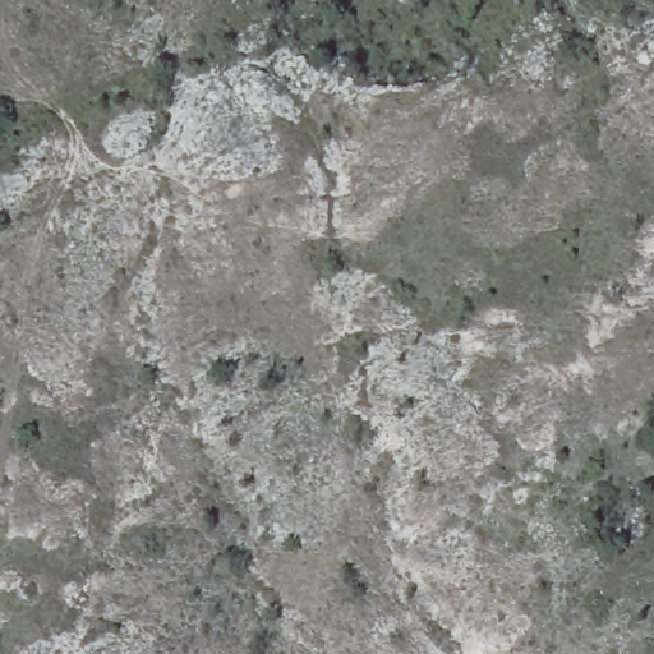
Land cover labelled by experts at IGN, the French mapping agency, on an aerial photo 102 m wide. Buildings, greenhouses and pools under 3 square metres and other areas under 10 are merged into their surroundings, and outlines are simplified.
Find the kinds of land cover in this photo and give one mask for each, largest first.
<instances>
[{"label":"bare soil","instance_id":"1","mask_svg":"<svg viewBox=\"0 0 654 654\"><path fill-rule=\"evenodd\" d=\"M197 0H141L135 23L130 28L128 36H123V31L112 36V46H120L125 54L130 59H141L143 64H153L166 51H186L192 46V20L197 18V10L192 5ZM271 31V13H266L258 26L248 23V28H243L240 33L225 31V38L238 41V49L243 51V59L235 61L230 69H207L194 77L176 74V100L171 105L169 130L158 148L146 143L156 118L151 110H133L118 115L107 125L102 146L95 151H89V146L84 143L77 120L66 110H59V118L72 138H41L36 146L20 148V166L15 174H0V552H8L13 539H33L43 549H56L64 536H79L82 547L87 549L92 547V536L87 534L92 503H118L115 521L105 542V562L112 572H97L84 582H66L61 598L79 613L74 631H64L51 639H38L23 646L20 654H156L153 641L164 636V623H181L179 600L156 593V585L169 582L166 570L151 567L143 572H125V565H135L138 557H123L115 547L120 542V534L138 524L199 529L207 521V508L212 506L220 508V526L225 529V534L238 547L250 549V572L268 588H276L278 593V598L271 603L263 593H258L255 608L258 613H266L271 621L281 618V634L271 641V646L284 654H654V631L646 618L639 623V628H628V616H608L603 626H595L588 613L580 621H572L570 626L562 623L559 611L567 603V590L562 588V582H567L570 575L565 572V554L559 552L552 521L531 519L526 524L529 536L539 542V552H516L506 562L483 565L475 562L478 536L468 529H447L442 519L452 513L468 516L470 506L480 503L483 513H491L496 493L503 491V480L519 475L521 480L539 483V473H529L534 462L552 470L554 457H572L582 462L577 473L580 483L595 485V493H590L588 503L580 506V521L588 526V534H577V539L572 542L575 549L593 547L603 562H608L611 557L626 552L631 534L644 539L654 536V225H646L644 215L634 217L641 227V238L628 240L623 245V253L631 255L634 250H639L641 258L636 263V273L628 276V284L600 281L595 294L559 289V294H565L567 299V309H557L552 317L526 312L519 319L513 309H488L478 312L468 330L445 327L437 332H427L416 324V317L409 307L393 299L391 286L381 284L373 273H365L360 268L340 271L332 278L319 281L307 258L299 255V248L304 240L322 238L327 225H335L340 240L345 238L365 243L378 235L388 217L401 212L404 204L419 207L427 192L447 176L457 179L455 192L460 194L462 215L460 232L470 235L473 243L483 248H513L526 235L559 230L565 209H570L580 199L585 202L593 197L588 186V164L600 161L603 156V151L598 148L600 123H608L611 128H618L628 135H644V146H654V0H547L542 5V13L534 15L531 26H513L508 43L501 49L498 72L480 77L478 61L473 59L468 64L462 56L460 61H452L447 82L437 89L419 82L406 87H360L353 82V77L340 79L327 69H314L312 64H307L304 56L294 54L291 49H278L268 56H258L255 49L266 46V33ZM353 332H378V342L368 347V355L360 358L353 373L347 376L337 370V342ZM220 358L238 360L235 376L227 386H215L209 378L212 363ZM273 358L284 360L286 376L281 386L263 391L261 376L268 373ZM28 401L59 411L66 422H95L102 437L89 442V462L95 473V483L89 488L82 480H54L51 473L38 468L28 450L15 447L13 437H18L20 427L13 419V409L15 404ZM350 414L360 416L363 422H370V427L378 434L365 450L353 439H342V429ZM345 562L355 565V570L365 580L368 590L363 598H353V588L342 577ZM13 590L18 600H26V588L20 585V575L15 570H5L0 575V593ZM238 649L225 651L220 649V644H209V649L202 654H250V641L255 639V621H250L248 613H240Z\"/></svg>","mask_w":654,"mask_h":654},{"label":"herbaceous vegetation","instance_id":"2","mask_svg":"<svg viewBox=\"0 0 654 654\"><path fill-rule=\"evenodd\" d=\"M123 31V36H128L130 28H118L107 23L89 0H0V97L8 95L15 102L41 105L46 97H54L66 82H79L82 77L92 79L95 84H102L115 74L130 72V64H120V54H125L120 46H112V36ZM598 148L603 151V156L600 161L588 164V186L593 197L585 202L580 199L570 209H565L559 230L526 235L513 248H483L473 243L470 235L460 232L462 215L460 194L455 192L457 179L447 176L427 192L419 207L404 204L401 212L388 217L378 235L365 243L345 238L340 240L335 225H327L322 238L304 240L299 248V255L307 258L319 281L332 278L340 271L360 268L365 273H373L381 284L391 286L393 278H404L416 286V296L409 307L416 317V324L427 332H437L445 327L468 330L478 312L488 309H513L519 319L526 312L552 317L557 309H567V299L565 294H559V289L595 294L600 281L628 284V276L636 273V263L641 258L639 250H634L631 255L623 253V245L628 240L641 238V227L634 217L644 215L646 225H654V146H644V135H628L618 128H611L608 123H600ZM13 419L20 427L18 437H13L15 447L28 450L38 468L51 473L54 480H82L89 488L95 483V473L89 462V442L102 437L95 422H66L59 411L28 401L15 404L13 409ZM118 503H92L87 534L92 536V547L87 549L82 547L79 536H64L56 549H43L33 539H13L8 552H0V575L5 570H15L20 575V585L26 588V600H18L13 590L0 593V654H20L23 646L38 639H51L64 631H74L79 613L61 598L66 582H84L97 572H112L105 562V542L115 521ZM123 557H138L135 565H125V572H143L151 567L166 570L169 582L156 585V593L179 600L181 623H164V636L153 641L156 654H202L209 649V644H220V649L225 651L238 649L240 613H248L250 621H255V639L250 641V654H284L271 646V641L281 634V618L271 621L266 613H258L255 608L258 593H263L271 603L278 598V593L276 588H268L250 572V549L238 547L225 534V529L220 526V508L212 506L207 508V521L199 529L138 524L120 534V542L115 547ZM342 577L353 588V598H363L368 590L365 580L355 570V565L345 562Z\"/></svg>","mask_w":654,"mask_h":654},{"label":"brushwood","instance_id":"3","mask_svg":"<svg viewBox=\"0 0 654 654\"><path fill-rule=\"evenodd\" d=\"M107 23L118 28H130L135 23L141 0H89ZM547 0H197L192 5L197 10V18L192 20V46L186 51H166L153 64H143L141 59H130L125 54H120V64H130V72L115 74L102 84H95L92 79L82 77L79 82H66L54 97H46L41 105L15 102L8 95L0 97V174H15L20 166V148L36 146L41 138H72L59 118V110H66L77 120L84 143L89 146V151H95L102 146L107 125L118 115L133 110H151L156 118L146 143L158 148L169 130L171 105L176 100V74L194 77L207 69H230L235 61L243 59V51L238 49V41L225 38V31L240 33L243 28H248V23L258 26L266 13H271V31L266 33V46L255 49L258 56H268L278 49H291L294 54L304 56L307 64H312L314 69H327L340 79L353 77V82L360 87H406L419 82L437 89L447 82L452 61H460L462 56L468 64L473 59L478 61L480 77L498 72L501 49L508 43L513 26H531L534 15L542 13V5ZM393 299L409 307L416 296V286L404 278H393L391 286ZM378 342V332H353L337 342V370L347 376L353 373L360 358L368 355V347ZM238 360L220 358L212 363L209 378L215 386H227L235 376ZM286 376L284 360L273 358L268 373L261 376L263 391L281 386ZM378 434L370 427V422H363L360 416L350 414L342 429V439H353L365 450ZM582 462L572 457H554L552 470L534 462L529 473H539V483L521 480L519 475L503 480V491L496 493L491 513H483L480 503L470 506L468 516L452 513L442 519L447 529H468L478 536L475 562L483 565L506 562L516 552H539V542L529 536L526 524L531 519L552 521L559 552L565 554V572L570 575L567 582H562V588L567 590V603L559 611L562 623L570 626L572 621H580L588 613L595 626H603L608 616H628V628H639V623L646 618L654 631V536L644 539L631 534L626 552L611 557L608 562H603L593 547L575 549L572 542L577 539V534H588V526L580 521V506L588 503L590 493H595V485L580 483L577 473Z\"/></svg>","mask_w":654,"mask_h":654}]
</instances>
